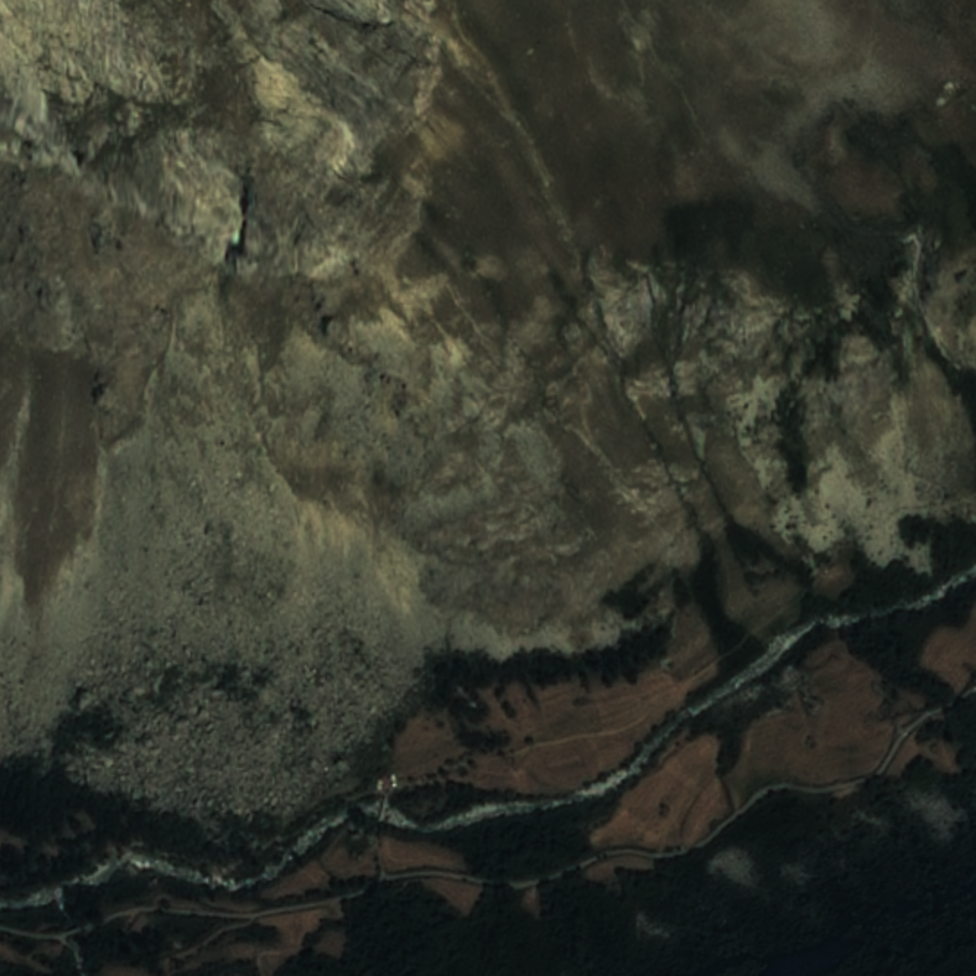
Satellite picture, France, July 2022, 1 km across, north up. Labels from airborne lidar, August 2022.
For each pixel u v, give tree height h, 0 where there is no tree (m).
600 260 0
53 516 0
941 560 9
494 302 0
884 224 0
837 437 0
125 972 0
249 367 0
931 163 0
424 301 0
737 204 0
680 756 0
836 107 0
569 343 0
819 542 0
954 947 6
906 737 0
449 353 0
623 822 0
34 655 0
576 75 0
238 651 0
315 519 0
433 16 0
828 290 0
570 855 6
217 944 6
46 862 19
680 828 0
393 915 13
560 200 0
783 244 0
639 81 0
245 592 0
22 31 0
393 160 0
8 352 0
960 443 0
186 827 13
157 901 0
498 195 0
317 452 0
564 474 0
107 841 15
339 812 10
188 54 0
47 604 0
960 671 0
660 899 6
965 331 0
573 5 0
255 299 0
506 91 0
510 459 0
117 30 0
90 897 14
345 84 0
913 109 0
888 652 8
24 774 10
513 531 0
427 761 0
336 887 11
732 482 0
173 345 0
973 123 0
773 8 0
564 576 0
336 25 0
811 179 0
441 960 11
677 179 0
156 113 0
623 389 0
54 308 0
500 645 0
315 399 0
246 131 0
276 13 0
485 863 9
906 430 0
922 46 0
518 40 0
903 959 12
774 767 0
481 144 0
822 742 0
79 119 0
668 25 0
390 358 0
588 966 10
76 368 0
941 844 0
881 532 0
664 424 0
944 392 0
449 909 7
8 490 0
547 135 0
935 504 0
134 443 0
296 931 0
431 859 0
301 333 0
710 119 0
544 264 0
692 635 0
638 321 0
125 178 0
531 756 0
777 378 0
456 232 0
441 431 0
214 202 0
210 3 0
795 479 5
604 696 0
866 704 0
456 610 0
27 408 0
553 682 11
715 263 0
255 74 0
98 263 0
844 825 0
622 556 0
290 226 0
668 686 0
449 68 0
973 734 7
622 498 0
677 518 0
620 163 0
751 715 0
